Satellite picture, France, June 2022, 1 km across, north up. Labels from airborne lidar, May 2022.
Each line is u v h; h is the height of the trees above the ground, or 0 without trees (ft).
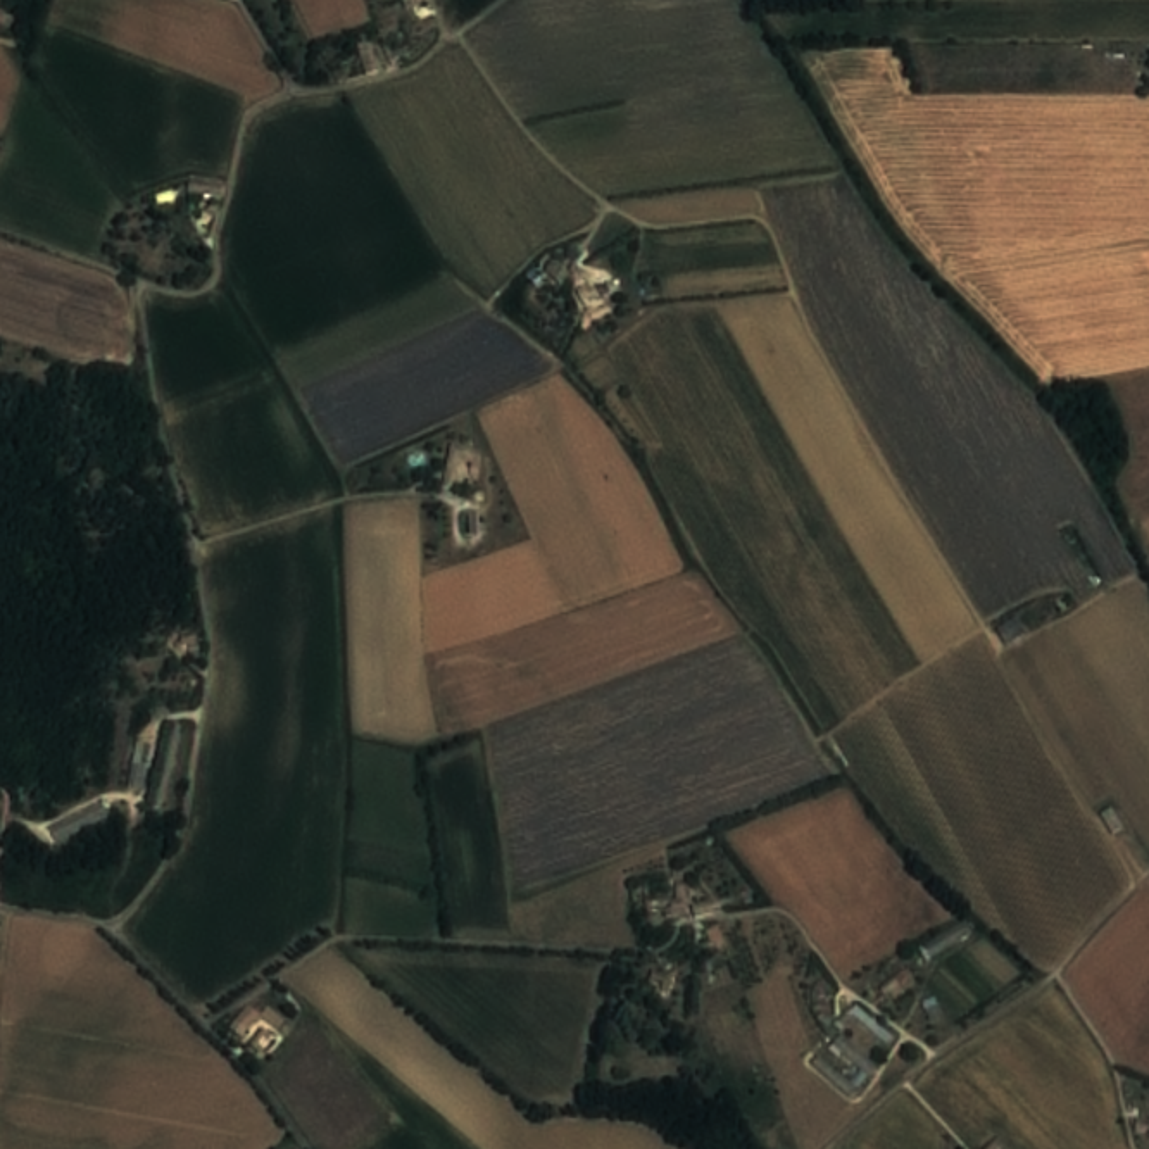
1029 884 0
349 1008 0
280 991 40
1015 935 0
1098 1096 0
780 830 0
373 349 0
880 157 0
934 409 0
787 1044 0
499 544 0
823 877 0
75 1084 0
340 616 0
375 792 0
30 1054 0
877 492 0
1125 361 0
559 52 0
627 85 0
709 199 0
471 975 0
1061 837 0
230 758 0
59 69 0
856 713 0
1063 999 0
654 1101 66
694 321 0
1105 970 0
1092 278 0
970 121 0
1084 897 0
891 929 0
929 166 0
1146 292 0
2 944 0
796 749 0
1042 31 0
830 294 0
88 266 0
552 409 0
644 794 0
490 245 0
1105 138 0
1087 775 0
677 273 0
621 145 0
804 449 0
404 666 0
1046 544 0
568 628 0
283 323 0
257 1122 0
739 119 0
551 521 0
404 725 0
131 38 0
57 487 45
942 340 0
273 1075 0
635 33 0
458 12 0
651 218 0
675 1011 21
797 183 0
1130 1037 0
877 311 0
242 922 0
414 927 0
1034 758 0
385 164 0
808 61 0
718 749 0
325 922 0
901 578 0
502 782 0
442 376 0
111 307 0
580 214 0
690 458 0
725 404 0
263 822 0
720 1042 0
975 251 0
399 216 0
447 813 0
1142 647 0
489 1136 0
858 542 0
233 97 0
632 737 0
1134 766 0
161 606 38
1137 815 0
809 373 0
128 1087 0
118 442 36
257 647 0
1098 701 0
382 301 0
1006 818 0
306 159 0
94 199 0
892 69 0
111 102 0
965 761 0
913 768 0
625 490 0
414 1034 0
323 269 0
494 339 0
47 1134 0
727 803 0
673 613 0
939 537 0
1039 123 0
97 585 40
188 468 0
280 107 0
